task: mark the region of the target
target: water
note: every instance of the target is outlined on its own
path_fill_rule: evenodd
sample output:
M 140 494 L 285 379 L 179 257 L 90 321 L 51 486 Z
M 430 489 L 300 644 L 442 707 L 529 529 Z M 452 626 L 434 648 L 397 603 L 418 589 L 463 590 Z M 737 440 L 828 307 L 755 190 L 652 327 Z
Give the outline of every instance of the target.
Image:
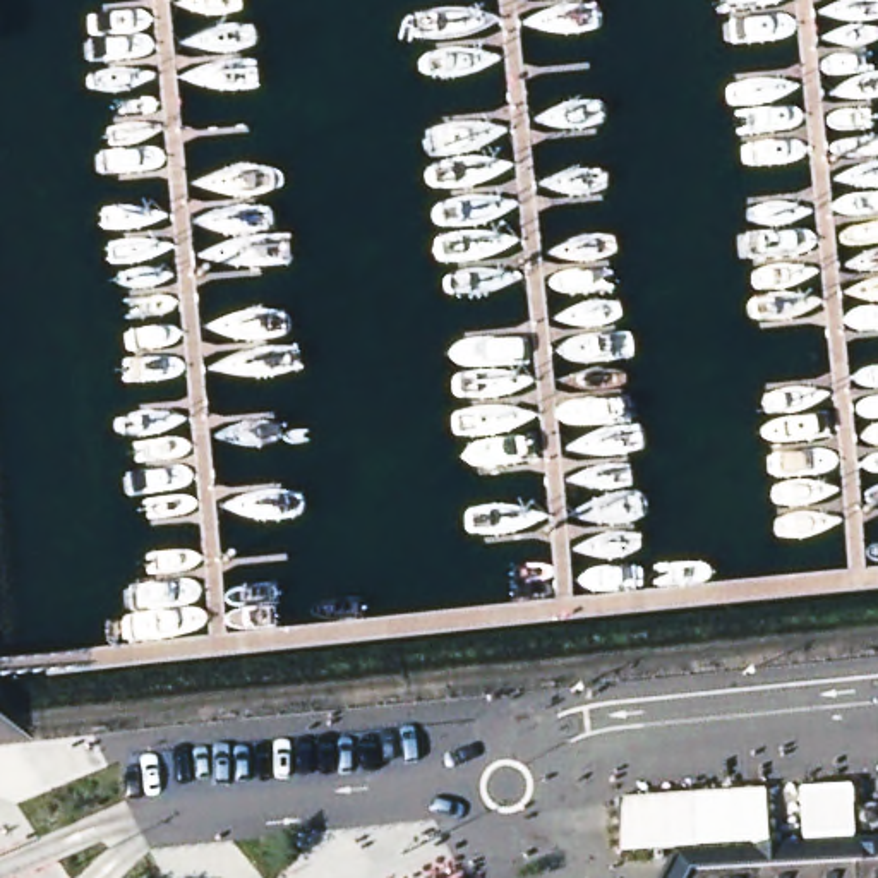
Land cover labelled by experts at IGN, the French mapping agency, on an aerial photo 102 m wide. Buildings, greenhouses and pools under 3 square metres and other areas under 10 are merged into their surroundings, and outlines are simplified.
M 0 0 L 0 676 L 72 676 L 182 659 L 878 590 L 878 0 Z

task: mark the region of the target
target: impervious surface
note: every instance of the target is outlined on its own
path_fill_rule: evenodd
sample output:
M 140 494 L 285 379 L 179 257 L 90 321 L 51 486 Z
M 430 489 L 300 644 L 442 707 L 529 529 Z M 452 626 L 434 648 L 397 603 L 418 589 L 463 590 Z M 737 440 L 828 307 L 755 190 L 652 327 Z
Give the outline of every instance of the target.
M 31 823 L 21 813 L 24 799 L 69 785 L 106 765 L 127 765 L 123 779 L 130 789 L 120 792 L 120 803 L 96 809 L 79 823 L 51 830 L 45 837 L 31 833 Z M 261 878 L 261 871 L 240 854 L 240 844 L 271 837 L 271 830 L 288 827 L 305 823 L 316 813 L 326 816 L 326 837 L 298 857 L 281 878 L 659 878 L 669 847 L 628 851 L 621 844 L 621 806 L 628 796 L 765 789 L 765 799 L 772 799 L 785 792 L 789 827 L 803 830 L 799 789 L 820 782 L 847 782 L 854 785 L 854 830 L 878 830 L 878 590 L 182 659 L 72 676 L 0 676 L 0 878 Z M 82 875 L 69 875 L 65 857 L 89 844 L 103 844 L 106 854 L 96 857 Z

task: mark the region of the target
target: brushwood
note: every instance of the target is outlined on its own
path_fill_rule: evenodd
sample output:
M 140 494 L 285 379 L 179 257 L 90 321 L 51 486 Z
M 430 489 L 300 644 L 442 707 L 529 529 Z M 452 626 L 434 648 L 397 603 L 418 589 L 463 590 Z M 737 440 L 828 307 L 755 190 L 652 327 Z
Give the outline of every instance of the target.
M 326 837 L 326 816 L 316 813 L 305 823 L 288 827 L 288 844 L 298 857 Z

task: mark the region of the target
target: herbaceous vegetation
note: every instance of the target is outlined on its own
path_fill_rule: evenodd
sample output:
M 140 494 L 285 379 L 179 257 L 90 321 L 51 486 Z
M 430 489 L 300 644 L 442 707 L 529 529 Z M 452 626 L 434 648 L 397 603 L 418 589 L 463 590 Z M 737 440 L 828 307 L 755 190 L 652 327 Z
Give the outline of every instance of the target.
M 106 854 L 103 844 L 89 844 L 65 857 L 69 875 L 82 875 L 96 857 Z
M 288 827 L 271 830 L 271 837 L 240 844 L 240 854 L 261 871 L 261 878 L 281 878 L 298 857 L 288 844 Z
M 51 830 L 79 823 L 96 809 L 120 803 L 120 792 L 130 789 L 123 779 L 127 765 L 106 765 L 69 785 L 24 799 L 21 813 L 31 823 L 31 833 L 45 837 Z

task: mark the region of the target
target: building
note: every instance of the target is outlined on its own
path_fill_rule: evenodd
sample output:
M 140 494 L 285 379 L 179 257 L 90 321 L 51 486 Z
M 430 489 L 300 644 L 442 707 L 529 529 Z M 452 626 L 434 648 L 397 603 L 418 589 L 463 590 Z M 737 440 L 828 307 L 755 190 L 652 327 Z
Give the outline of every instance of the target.
M 669 847 L 659 878 L 878 878 L 878 830 L 854 830 L 854 785 L 847 782 L 820 782 L 799 789 L 803 830 L 789 827 L 785 792 L 772 799 L 765 799 L 765 789 L 628 796 L 621 806 L 621 844 L 628 851 Z

